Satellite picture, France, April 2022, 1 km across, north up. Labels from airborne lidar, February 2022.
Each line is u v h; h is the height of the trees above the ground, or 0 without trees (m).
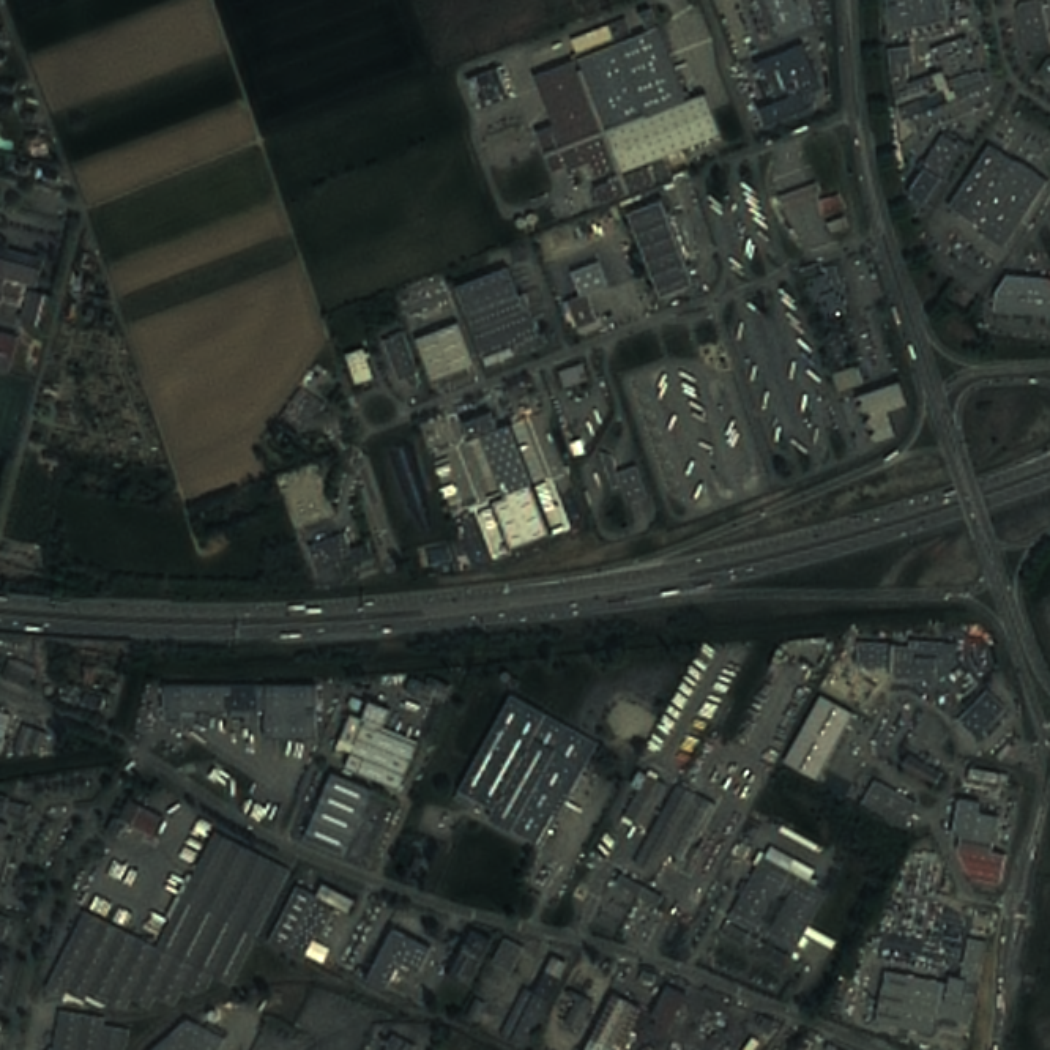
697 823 0
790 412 0
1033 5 0
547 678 0
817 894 0
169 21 0
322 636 0
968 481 0
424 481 0
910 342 0
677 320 0
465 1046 0
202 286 0
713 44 0
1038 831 0
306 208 0
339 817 0
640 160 0
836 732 0
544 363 0
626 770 0
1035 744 0
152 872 0
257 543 0
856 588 0
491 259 0
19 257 0
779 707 0
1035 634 0
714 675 0
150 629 0
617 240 0
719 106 0
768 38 0
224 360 0
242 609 0
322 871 0
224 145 0
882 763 0
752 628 0
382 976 0
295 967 0
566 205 0
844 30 0
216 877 0
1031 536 0
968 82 0
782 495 0
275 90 0
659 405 0
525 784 0
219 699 0
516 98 0
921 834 0
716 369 0
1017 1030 0
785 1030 0
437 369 0
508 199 0
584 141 0
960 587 0
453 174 0
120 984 0
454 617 0
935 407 0
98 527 0
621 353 0
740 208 0
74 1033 0
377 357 11
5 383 0
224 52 0
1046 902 0
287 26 0
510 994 0
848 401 0
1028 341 0
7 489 15
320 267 0
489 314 0
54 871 0
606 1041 0
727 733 0
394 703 0
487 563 0
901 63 0
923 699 0
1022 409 0
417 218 0
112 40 0
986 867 0
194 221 0
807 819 0
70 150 0
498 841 0
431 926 14
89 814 0
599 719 0
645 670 0
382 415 0
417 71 0
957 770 0
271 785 0
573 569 0
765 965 0
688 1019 0
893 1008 0
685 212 0
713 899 0
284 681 0
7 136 0
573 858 0
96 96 0
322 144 0
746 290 0
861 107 0
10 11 0
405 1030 0
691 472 0
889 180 0
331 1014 0
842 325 10
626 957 0
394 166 0
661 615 0
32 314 0
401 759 0
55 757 0
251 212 0
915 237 0
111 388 0
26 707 0
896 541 0
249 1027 0
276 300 0
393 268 0
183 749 0
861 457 0
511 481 0
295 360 0
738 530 0
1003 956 0
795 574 0
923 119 0
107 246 0
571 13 0
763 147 0
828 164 0
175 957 0
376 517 0
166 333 0
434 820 0
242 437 0
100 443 0
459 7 0
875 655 0
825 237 0
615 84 0
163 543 0
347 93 0
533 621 0
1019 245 0
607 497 0
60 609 0
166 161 0
